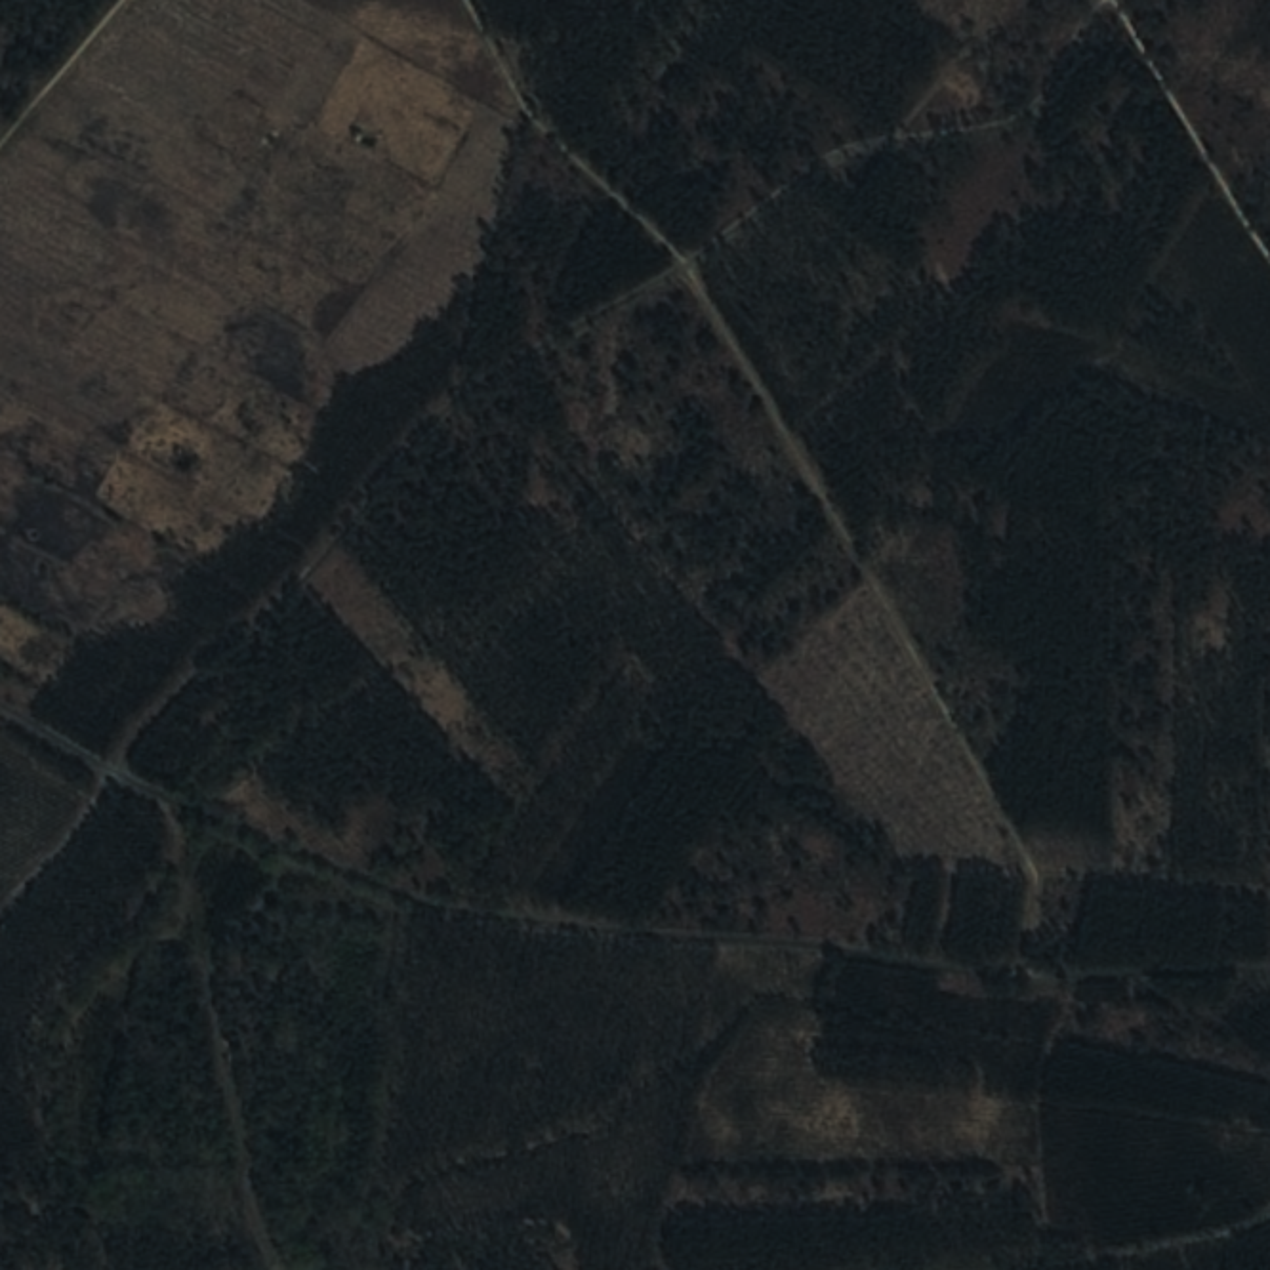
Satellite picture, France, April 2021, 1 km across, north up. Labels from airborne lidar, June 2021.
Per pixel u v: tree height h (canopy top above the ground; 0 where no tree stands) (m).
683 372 16
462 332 9
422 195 0
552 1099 12
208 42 0
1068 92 19
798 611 16
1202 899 18
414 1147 13
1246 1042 10
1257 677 18
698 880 17
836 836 12
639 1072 14
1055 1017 6
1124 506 20
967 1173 15
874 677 0
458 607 20
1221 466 18
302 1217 26
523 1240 20
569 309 15
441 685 0
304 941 17
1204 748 15
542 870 13
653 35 19
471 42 0
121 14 0
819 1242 17
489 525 19
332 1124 19
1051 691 18
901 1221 17
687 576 11
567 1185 6
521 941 14
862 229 16
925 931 15
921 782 0
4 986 13
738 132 17
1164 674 17
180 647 9
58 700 13
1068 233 16
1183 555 20
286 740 15
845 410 13
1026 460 19
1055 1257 20
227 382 0
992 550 17
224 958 14
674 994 10
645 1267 13
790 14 19
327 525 11
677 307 15
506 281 16
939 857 0
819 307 14
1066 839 15
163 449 0
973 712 10
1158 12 22
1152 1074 11
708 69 16
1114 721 14
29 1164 14
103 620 0
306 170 0
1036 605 18
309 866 15
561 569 17
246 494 0
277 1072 19
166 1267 23
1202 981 22
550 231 17
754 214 0
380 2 0
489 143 0
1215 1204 26
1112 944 20
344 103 0
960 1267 21
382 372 10
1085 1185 6
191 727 16
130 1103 18
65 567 0
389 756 20
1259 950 19
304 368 0
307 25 0
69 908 13
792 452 0
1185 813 16
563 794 15
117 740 11
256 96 0
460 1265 19
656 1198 10
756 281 12
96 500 0
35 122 0
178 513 0
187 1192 21
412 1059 13
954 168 24
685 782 21
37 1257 20
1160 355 15
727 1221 20
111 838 13
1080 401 19
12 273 0
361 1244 18
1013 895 16
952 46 16
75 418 0
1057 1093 12
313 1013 18
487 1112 13
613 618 19
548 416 20
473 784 19
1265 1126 9
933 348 16
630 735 14
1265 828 14
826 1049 14
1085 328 17
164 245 0
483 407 17
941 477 11
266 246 0
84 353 0
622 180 17
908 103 16
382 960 14
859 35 18
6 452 0
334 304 0
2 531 0
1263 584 18
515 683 22
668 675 18
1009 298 21
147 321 0
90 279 0
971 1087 14
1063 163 20
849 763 0
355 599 0
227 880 6
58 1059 16
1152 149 15
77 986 19
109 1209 20
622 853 17
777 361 6
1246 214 12
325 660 22
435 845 14
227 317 0
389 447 10
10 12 19
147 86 0
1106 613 13
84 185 0
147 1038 13
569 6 12
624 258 17
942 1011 9
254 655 19
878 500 14
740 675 18
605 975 11
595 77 19
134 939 17
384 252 0
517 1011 10
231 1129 14
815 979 5
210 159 0
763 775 17
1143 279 18
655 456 7
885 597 0
